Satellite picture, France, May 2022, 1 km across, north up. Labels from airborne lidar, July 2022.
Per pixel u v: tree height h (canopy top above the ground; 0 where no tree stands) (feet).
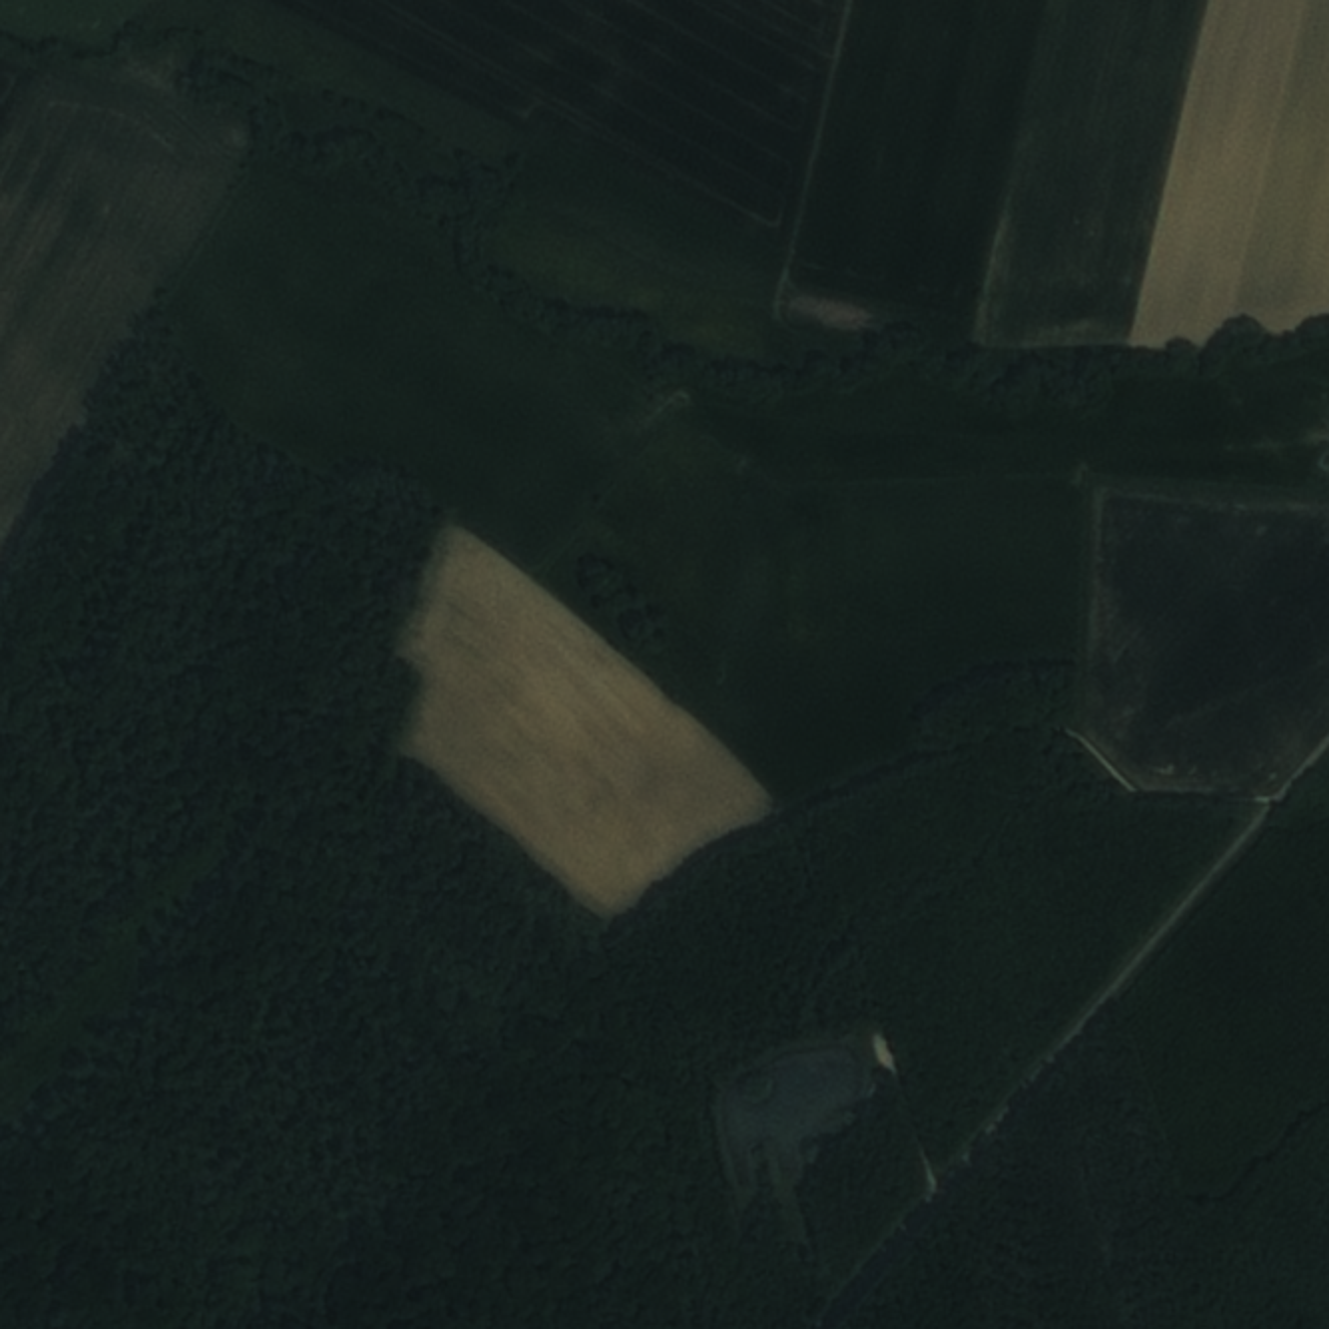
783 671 0
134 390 55
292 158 55
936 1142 46
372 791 28
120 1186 87
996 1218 70
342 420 0
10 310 0
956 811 53
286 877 68
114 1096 50
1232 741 0
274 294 0
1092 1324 60
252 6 0
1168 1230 43
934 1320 72
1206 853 52
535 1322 90
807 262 0
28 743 102
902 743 0
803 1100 0
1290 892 21
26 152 0
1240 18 0
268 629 94
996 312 0
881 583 0
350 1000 83
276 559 77
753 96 0
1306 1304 47
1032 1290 70
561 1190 95
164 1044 92
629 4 0
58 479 60
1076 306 0
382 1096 97
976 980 53
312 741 104
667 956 66
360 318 0
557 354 0
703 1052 53
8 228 0
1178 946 22
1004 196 0
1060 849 53
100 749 85
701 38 0
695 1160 46
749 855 58
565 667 0
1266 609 0
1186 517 0
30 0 0
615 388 0
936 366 65
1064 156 0
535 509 0
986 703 71
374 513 79
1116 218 0
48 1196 91
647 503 0
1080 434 0
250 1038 54
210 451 79
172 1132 79
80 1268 90
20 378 0
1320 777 41
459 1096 83
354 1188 85
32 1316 97
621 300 0
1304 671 0
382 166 58
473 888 92
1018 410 47
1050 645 0
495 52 0
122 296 0
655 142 0
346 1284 108
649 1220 76
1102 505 0
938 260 0
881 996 48
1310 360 0
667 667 0
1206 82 0
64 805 85
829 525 0
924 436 0
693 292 0
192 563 37
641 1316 82
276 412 0
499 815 0
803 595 0
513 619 0
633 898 0
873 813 59
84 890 97
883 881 54
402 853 75
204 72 58
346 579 93
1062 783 44
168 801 85
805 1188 34
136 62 0
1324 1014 20
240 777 94
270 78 40
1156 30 0
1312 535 0
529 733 0
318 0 0
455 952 99
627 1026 65
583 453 0
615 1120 87
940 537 0
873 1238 53
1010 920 49
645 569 0
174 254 0
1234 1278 42
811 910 60
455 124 0
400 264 0
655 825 0
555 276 0
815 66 0
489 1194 90
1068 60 0
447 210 56
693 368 77
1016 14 0
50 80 0
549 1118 81
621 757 0
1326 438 0
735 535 0
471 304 0
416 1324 90
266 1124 96
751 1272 49
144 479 95
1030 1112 58
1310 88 0
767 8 0
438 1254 93
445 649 0
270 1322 87
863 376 55
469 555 0
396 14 0
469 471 0
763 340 0
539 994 81
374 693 37
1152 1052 19
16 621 91
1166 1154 43
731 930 66
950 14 0
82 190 0
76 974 88
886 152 0
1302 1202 40
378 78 0
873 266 0
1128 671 0
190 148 0
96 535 97
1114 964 43
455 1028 98
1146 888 55
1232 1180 18
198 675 80
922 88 0
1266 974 21
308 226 0
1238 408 0
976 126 0
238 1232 80
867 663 0
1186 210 0
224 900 88
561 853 0
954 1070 50
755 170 0
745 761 0
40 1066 0
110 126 0
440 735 0
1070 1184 59
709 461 0
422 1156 78
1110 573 0
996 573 0
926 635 0
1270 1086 20
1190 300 0
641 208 0
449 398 0
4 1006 94
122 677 78
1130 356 45
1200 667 0
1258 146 0
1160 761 0
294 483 93
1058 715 59
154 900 37
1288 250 0
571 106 0
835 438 0
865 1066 0
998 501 0
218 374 0
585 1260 95
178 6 0
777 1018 36
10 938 65
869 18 0
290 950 89
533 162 0
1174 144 0
